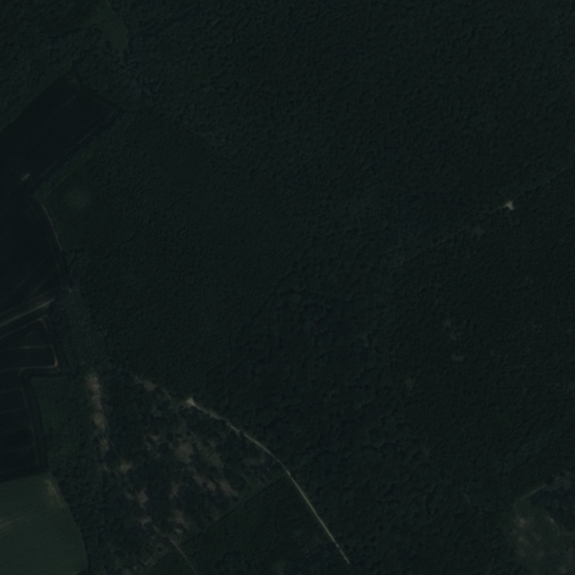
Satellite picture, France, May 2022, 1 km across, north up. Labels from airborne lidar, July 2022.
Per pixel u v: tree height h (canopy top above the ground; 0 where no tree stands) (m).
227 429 27
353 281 27
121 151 15
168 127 16
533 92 24
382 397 30
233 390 28
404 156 30
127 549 27
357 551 28
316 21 25
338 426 13
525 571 27
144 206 14
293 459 23
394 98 26
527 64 28
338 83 28
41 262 0
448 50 23
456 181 25
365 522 29
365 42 26
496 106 26
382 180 26
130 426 29
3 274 0
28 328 0
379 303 16
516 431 8
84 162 16
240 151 26
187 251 18
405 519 30
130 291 18
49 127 0
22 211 0
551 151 25
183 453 0
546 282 8
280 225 17
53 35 11
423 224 27
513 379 10
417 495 30
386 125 29
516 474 13
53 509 0
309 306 26
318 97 21
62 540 0
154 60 14
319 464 33
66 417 18
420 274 8
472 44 25
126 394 32
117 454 21
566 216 14
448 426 10
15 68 24
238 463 24
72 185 16
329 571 30
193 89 19
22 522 0
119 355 19
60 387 16
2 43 26
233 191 19
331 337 26
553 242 10
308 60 28
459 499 29
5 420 0
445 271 8
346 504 30
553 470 7
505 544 26
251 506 7
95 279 19
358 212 22
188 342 19
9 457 0
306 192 26
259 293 19
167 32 19
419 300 7
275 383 31
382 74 25
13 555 0
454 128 26
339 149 29
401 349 10
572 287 11
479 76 27
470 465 11
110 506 27
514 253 13
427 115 26
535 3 25
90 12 8
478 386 11
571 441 8
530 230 12
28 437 0
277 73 28
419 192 26
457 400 10
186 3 7
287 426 26
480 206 25
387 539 31
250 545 7
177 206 15
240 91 24
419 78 28
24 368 0
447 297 12
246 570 26
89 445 24
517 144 27
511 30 30
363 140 28
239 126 27
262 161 24
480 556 28
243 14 25
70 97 0
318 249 26
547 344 11
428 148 27
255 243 16
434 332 13
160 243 20
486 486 13
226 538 6
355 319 30
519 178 24
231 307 19
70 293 20
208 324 17
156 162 13
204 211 17
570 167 19
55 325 16
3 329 0
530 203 13
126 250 18
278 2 29
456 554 29
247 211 18
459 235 10
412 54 25
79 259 22
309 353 33
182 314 18
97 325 24
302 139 22
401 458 33
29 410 0
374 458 33
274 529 6
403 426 32
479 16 28
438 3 27
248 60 27
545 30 27
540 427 15
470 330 12
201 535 8
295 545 7
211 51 23
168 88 17
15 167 0
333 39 24
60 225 10
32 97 18
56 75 19
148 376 20
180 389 19
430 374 11
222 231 18
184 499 28
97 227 14
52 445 16
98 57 22
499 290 11
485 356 11
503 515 8
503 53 28
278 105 27
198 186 16
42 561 0
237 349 26
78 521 23
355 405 33
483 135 20
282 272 19
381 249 25
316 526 10
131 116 17
